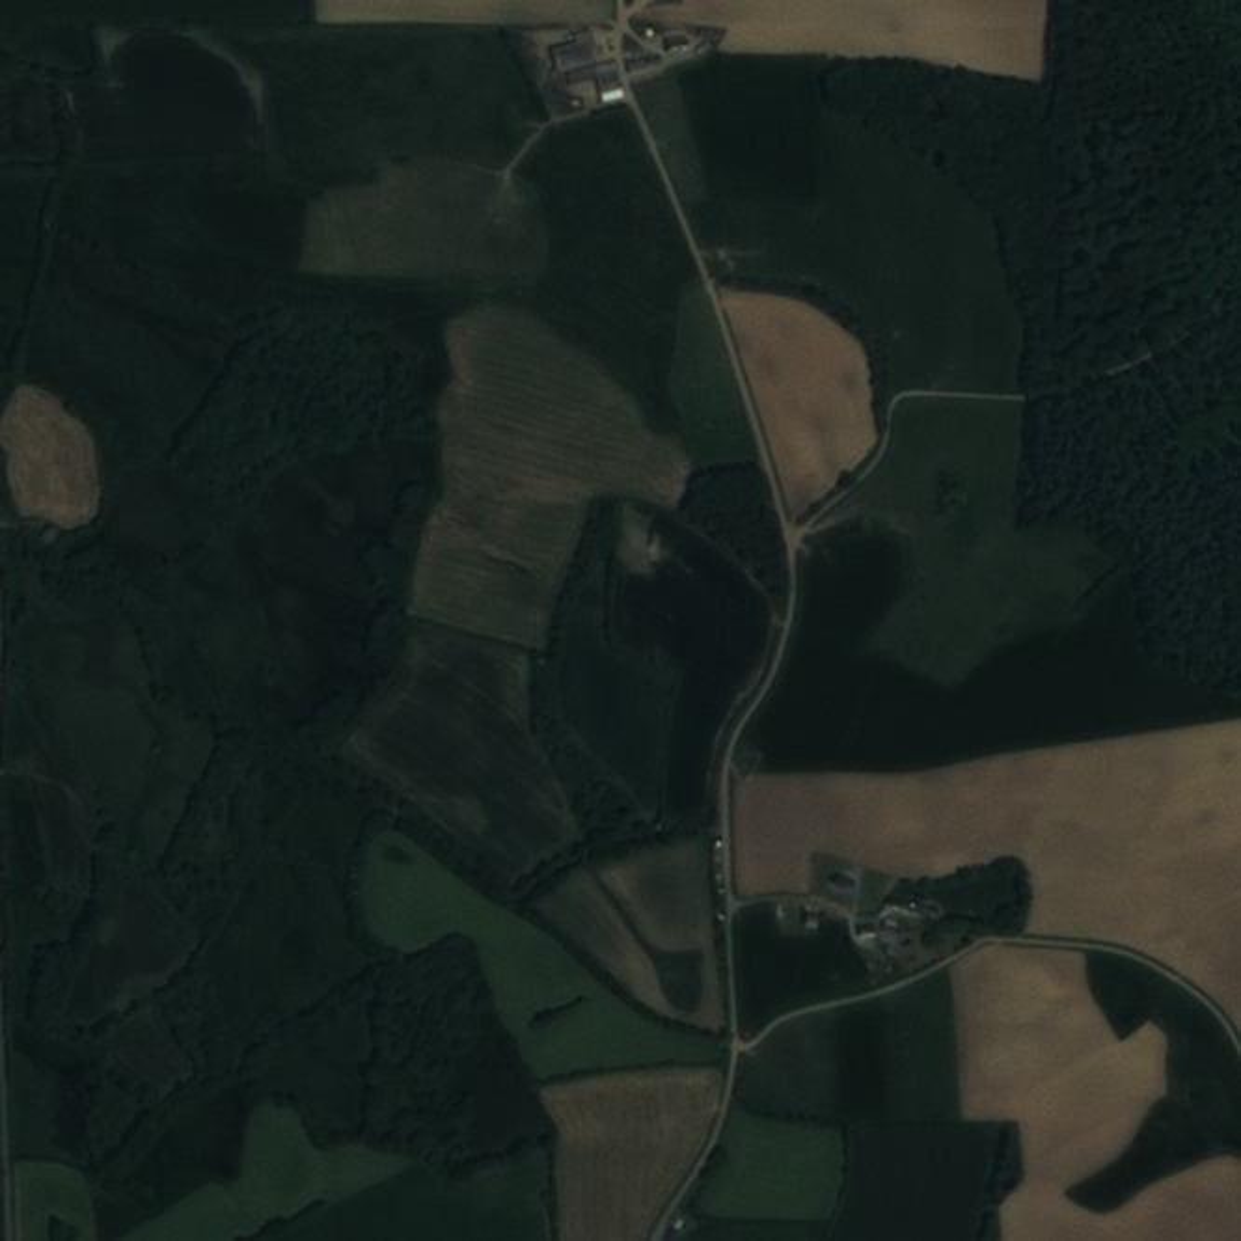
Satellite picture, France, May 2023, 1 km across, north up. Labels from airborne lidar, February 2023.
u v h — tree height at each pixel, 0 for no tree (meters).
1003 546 0
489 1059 0
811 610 0
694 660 0
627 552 0
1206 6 19
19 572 0
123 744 0
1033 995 0
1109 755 0
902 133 17
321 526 0
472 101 0
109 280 0
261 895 0
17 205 0
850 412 0
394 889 0
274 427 13
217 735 7
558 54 0
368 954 8
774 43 0
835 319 9
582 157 0
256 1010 0
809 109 0
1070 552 0
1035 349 16
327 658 0
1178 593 21
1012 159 19
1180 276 19
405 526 12
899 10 0
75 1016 0
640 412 0
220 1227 0
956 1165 0
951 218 0
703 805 0
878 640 0
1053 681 0
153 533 0
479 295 0
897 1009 0
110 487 0
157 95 0
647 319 0
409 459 0
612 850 14
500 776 0
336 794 9
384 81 0
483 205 0
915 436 0
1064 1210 0
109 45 0
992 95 18
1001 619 0
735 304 0
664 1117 0
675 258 0
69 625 0
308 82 0
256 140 0
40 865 0
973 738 0
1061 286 21
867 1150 0
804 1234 0
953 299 0
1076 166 23
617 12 0
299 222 0
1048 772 0
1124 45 16
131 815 0
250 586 0
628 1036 0
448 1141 10
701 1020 0
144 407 0
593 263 0
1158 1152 0
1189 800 0
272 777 11
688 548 0
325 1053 0
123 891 0
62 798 0
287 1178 0
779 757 0
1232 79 23
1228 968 0
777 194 0
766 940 0
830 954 0
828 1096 0
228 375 12
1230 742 0
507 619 0
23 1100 0
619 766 0
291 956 0
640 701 0
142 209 0
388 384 13
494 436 0
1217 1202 0
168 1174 0
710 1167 11
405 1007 6
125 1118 0
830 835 0
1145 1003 0
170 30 0
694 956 0
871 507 0
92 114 0
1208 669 21
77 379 0
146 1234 0
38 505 0
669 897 0
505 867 0
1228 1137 0
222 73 0
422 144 0
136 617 10
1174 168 16
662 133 0
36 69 10
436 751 0
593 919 0
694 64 0
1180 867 0
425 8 0
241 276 0
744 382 0
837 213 0
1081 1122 0
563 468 0
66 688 0
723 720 0
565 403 0
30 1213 0
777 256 0
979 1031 0
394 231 0
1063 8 17
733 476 15
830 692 0
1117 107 14
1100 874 0
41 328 0
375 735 0
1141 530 22
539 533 0
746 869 0
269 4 0
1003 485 0
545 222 0
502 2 0
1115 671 0
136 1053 0
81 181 0
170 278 0
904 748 0
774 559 16
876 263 0
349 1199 0
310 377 11
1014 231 17
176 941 0
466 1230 0
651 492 0
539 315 0
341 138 0
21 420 0
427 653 0
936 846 0
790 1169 0
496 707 0
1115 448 17
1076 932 0
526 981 0
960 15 0
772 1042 0
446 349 0
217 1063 10
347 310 6
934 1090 0
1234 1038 0
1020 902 9
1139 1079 0
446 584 0
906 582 0
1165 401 25
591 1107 0
